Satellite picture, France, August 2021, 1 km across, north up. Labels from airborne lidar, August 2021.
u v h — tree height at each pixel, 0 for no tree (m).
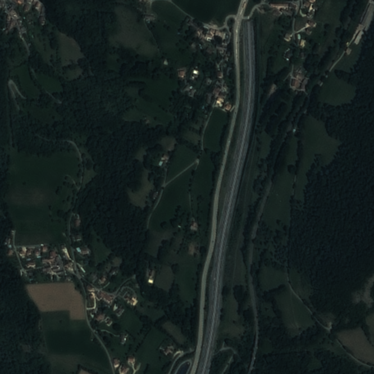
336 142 0
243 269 0
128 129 17
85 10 16
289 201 0
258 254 0
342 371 24
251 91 0
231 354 0
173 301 17
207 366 0
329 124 16
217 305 0
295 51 20
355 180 21
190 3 0
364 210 25
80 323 0
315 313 11
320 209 20
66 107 18
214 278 0
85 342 0
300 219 15
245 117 0
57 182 0
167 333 10
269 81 21
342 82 0
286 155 13
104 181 25
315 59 14
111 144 23
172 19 0
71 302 0
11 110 7
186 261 0
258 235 14
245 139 0
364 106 15
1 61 15
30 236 0
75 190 7
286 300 0
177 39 0
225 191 0
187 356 7
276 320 13
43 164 0
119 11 0
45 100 18
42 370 19
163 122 0
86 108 12
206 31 13
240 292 10
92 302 0
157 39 6
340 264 23
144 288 20
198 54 7
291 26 6
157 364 0
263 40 0
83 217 9
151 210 13
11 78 7
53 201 0
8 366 21
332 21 0
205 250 9
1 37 14
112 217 12
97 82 13
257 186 9
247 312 13
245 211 0
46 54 0
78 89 15
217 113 0
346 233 23
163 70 7
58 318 0
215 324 0
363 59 13
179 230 9
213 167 0
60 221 10
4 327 10
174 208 0
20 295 15
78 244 6
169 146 0
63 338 0
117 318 9
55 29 12
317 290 11
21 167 0
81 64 22
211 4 0
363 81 12
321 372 21
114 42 0
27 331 18
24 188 0
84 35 20
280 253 10
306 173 0
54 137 16
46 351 0
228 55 6
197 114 17
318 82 0
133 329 0
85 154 11
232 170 0
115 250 20
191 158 0
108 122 13
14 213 0
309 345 10
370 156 24
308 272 13
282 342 15
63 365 0
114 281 13
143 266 17
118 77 10
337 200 17
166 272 0
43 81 0
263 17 0
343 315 10
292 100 0
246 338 16
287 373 31
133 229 11
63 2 10
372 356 0
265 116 19
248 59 0
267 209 0
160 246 0
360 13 13
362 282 12
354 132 18
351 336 0
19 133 8
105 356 0
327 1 0
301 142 8
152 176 16
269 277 0
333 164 11
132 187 19
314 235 17
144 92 15
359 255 21
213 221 0
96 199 26
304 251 16
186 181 0
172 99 14
